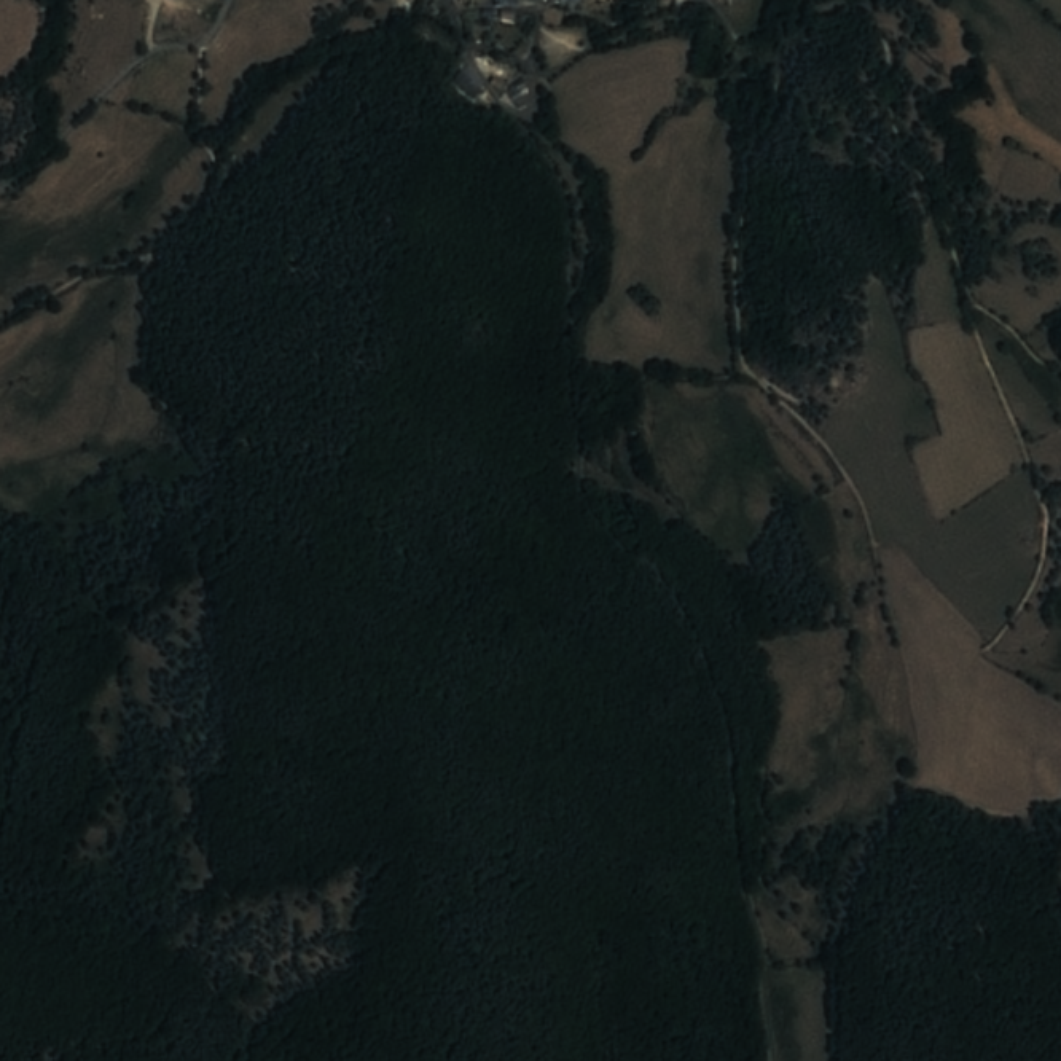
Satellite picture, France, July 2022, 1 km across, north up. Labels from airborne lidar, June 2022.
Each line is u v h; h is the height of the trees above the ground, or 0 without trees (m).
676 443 0
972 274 16
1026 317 0
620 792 18
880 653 0
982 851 21
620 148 0
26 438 0
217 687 18
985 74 12
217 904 18
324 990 15
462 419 14
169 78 0
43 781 20
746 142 14
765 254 14
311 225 19
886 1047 18
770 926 0
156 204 0
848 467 0
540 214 16
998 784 0
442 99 15
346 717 19
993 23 0
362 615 15
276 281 15
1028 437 11
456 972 16
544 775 15
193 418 16
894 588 0
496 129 23
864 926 15
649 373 12
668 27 8
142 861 18
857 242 13
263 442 16
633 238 0
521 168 20
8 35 0
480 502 14
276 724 19
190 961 20
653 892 19
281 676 22
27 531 18
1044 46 0
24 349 0
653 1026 10
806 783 0
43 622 19
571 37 0
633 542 18
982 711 0
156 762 17
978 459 0
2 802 18
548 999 15
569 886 17
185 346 18
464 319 12
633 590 13
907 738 0
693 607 20
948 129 17
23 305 18
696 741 16
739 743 17
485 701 15
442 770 10
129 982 17
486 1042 15
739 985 16
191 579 15
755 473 0
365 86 16
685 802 15
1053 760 0
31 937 19
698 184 0
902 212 15
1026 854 21
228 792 16
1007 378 0
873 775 0
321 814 13
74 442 0
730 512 0
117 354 0
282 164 14
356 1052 17
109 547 17
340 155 18
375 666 15
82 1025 18
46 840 21
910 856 16
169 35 0
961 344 0
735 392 0
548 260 23
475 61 0
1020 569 0
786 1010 0
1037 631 0
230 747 17
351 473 17
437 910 10
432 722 12
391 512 10
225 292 19
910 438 9
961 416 0
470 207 12
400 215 14
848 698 0
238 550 19
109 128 0
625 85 0
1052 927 19
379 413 14
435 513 14
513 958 13
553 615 14
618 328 0
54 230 0
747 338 11
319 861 15
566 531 13
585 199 13
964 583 0
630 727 14
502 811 15
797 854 11
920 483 0
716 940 13
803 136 11
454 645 16
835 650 0
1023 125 0
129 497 15
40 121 16
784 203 11
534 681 14
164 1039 14
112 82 0
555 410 19
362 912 13
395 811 14
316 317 17
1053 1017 14
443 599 16
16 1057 16
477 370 17
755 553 16
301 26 0
